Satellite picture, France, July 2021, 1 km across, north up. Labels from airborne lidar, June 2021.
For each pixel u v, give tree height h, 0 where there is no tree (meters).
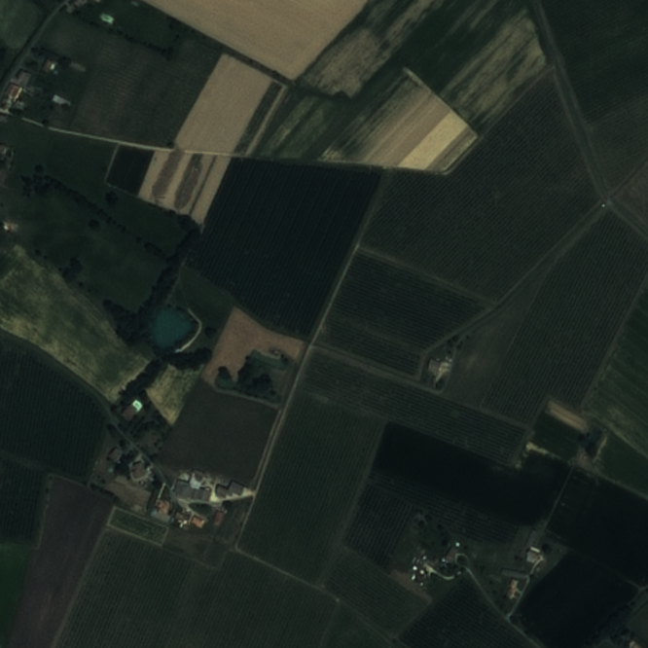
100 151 0
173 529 0
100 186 0
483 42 0
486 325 0
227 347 0
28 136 0
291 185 8
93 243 0
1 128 0
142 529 0
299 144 0
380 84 0
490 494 0
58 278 0
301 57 0
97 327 0
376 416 0
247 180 7
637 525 0
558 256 0
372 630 0
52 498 0
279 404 0
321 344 0
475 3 0
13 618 0
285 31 0
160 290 12
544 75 0
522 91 0
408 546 0
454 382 0
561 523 0
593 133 0
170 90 0
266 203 7
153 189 0
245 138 0
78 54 0
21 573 0
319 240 7
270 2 0
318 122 0
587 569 0
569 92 0
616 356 0
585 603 0
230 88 0
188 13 0
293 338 0
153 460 8
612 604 0
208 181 0
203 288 0
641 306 0
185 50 0
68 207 0
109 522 0
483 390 0
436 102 0
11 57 0
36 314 0
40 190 14
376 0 0
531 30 0
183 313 16
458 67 0
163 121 0
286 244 7
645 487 0
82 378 0
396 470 0
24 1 0
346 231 7
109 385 0
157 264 0
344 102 0
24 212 0
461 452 0
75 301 0
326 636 0
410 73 0
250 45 0
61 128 0
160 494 0
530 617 0
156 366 16
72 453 5
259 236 6
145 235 0
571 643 0
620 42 0
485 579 0
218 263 6
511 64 0
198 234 23
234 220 7
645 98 0
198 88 0
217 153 0
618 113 0
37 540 0
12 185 0
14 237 0
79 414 5
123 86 0
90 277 0
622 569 0
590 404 0
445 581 0
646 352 0
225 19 0
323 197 7
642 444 0
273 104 0
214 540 0
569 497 0
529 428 0
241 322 0
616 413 0
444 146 0
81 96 0
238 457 0
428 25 0
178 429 0
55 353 0
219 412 0
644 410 0
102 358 0
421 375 0
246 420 0
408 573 0
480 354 0
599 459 0
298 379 0
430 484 0
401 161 0
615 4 0
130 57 0
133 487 0
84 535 0
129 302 0
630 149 0
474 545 0
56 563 0
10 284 0
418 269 0
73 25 0
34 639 0
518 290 0
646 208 0
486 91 0
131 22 0
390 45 0
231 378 9
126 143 0
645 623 0
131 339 16
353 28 0
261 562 0
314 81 0
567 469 0
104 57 0
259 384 21
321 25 0
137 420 10
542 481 0
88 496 0
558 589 0
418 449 0
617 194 0
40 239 0
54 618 0
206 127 0
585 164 0
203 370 0
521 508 0
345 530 0
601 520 0
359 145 0
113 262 0
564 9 0
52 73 0
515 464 0
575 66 0
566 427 0
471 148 0
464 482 0
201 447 0
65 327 0
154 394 0
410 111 0
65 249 0
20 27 0
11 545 0
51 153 0
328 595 0
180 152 0
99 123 0
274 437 0
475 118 0
